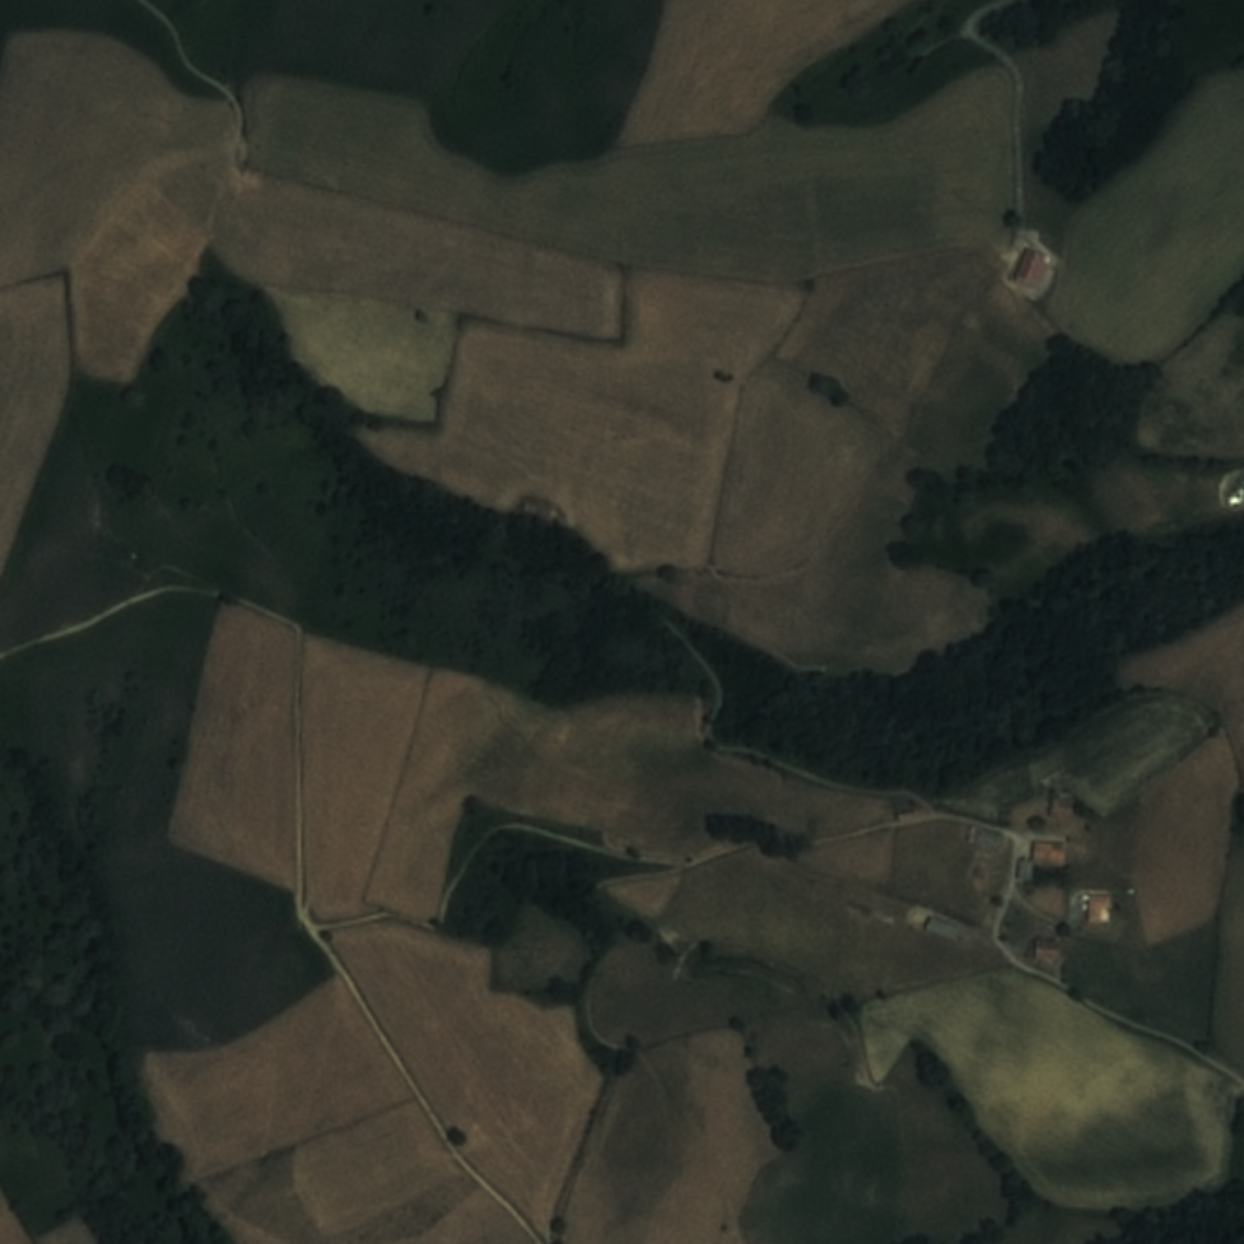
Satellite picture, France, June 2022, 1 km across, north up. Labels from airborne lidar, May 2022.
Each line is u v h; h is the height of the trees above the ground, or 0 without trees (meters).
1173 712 0
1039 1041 0
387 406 0
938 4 7
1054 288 0
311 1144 0
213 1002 0
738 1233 0
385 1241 0
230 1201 0
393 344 0
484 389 0
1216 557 20
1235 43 0
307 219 0
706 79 0
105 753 9
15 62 0
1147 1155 0
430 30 0
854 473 0
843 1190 0
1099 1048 0
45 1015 9
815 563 0
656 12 0
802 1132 19
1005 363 0
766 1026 0
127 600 0
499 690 0
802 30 0
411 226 0
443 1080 0
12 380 0
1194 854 0
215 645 0
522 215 0
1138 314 0
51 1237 0
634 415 0
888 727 13
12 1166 0
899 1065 0
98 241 0
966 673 25
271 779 0
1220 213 0
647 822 0
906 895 0
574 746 0
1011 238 0
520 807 0
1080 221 0
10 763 10
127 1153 12
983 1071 0
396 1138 0
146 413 0
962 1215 0
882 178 0
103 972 16
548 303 0
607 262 0
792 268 0
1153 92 15
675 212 0
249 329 18
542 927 0
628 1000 0
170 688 0
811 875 0
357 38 0
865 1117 0
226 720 0
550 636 9
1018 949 0
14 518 0
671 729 0
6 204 0
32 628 0
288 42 0
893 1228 0
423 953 0
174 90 0
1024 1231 0
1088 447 23
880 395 0
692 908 0
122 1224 9
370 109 0
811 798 0
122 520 0
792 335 0
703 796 0
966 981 0
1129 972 0
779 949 0
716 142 0
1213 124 0
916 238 0
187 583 0
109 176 0
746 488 0
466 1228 0
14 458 0
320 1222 0
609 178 0
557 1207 0
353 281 0
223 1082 0
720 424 0
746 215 0
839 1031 0
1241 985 0
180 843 0
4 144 0
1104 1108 0
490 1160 0
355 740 0
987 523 0
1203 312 0
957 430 0
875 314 0
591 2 0
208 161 0
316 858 0
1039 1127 0
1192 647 0
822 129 0
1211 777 0
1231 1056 0
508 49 0
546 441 0
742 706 8
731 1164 0
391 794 0
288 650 0
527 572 9
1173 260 0
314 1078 0
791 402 0
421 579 7
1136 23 12
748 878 0
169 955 0
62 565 0
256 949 0
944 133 0
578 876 14
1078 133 25
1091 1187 0
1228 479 0
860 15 0
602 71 0
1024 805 0
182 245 0
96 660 0
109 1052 11
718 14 0
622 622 11
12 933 12
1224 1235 8
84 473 0
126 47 0
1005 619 16
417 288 0
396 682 0
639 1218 0
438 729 0
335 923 0
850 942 0
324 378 0
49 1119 12
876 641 0
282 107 0
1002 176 0
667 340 0
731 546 0
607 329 0
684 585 0
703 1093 0
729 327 0
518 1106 0
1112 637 21
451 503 28
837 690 11
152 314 0
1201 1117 0
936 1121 0
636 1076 0
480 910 7
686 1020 0
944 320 0
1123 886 0
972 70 0
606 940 19
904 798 0
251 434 12
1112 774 0
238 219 0
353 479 8
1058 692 13
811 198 0
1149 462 11
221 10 0
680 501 0
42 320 0
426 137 0
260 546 0
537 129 0
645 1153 0
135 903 0
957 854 0
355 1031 0
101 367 0
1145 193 0
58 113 0
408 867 0
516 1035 0
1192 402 0
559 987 18
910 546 11
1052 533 0
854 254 0
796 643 0
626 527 0
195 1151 0
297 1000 0
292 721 0
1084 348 7
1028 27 13
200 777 0
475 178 0
